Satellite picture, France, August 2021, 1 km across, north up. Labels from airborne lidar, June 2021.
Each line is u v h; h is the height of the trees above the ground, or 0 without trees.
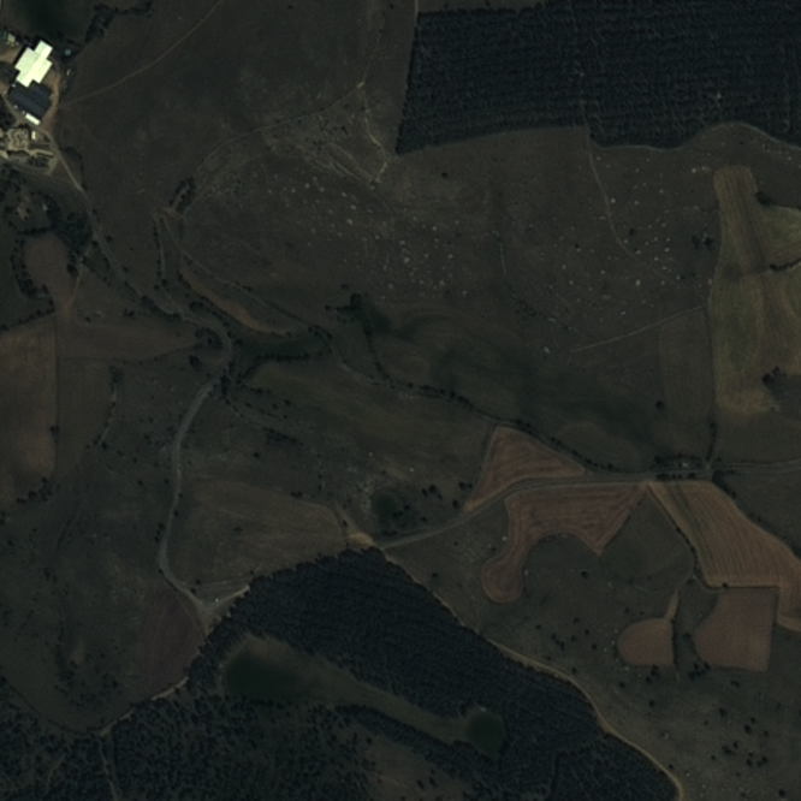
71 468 0
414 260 0
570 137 0
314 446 0
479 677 15
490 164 0
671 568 0
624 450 0
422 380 0
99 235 0
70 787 7
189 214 0
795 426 0
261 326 0
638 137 12
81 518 0
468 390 0
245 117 0
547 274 0
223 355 0
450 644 12
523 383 0
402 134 10
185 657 0
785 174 0
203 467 0
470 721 0
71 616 0
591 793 16
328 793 12
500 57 13
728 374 0
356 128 0
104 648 0
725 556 0
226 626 11
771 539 0
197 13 0
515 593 0
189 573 0
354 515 0
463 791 0
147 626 0
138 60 0
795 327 0
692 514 0
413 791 0
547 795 9
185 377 0
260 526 0
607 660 0
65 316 0
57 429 6
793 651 0
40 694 0
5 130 8
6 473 0
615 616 0
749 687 0
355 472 0
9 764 7
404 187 0
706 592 0
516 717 13
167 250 0
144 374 0
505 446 0
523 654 0
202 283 0
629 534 0
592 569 0
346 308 7
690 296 0
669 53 10
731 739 0
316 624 16
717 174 0
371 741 8
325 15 0
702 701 0
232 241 0
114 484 0
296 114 0
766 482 0
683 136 9
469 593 0
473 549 0
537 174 0
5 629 0
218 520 0
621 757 12
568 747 12
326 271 0
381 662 15
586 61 12
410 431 0
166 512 0
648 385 0
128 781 12
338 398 0
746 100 12
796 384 0
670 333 0
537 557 0
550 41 11
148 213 0
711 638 0
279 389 0
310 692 0
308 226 0
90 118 0
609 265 0
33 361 0
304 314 0
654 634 0
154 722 9
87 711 0
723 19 12
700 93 11
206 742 11
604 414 0
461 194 0
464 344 0
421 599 13
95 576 0
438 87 14
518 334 0
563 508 0
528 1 0
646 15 10
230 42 0
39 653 0
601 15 10
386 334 0
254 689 0
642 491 0
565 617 0
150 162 0
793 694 0
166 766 13
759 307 0
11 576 0
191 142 0
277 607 12
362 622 14
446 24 12
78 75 0
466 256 0
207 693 10
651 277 0
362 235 0
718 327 0
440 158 0
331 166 0
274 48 0
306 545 0
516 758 14
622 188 0
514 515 0
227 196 0
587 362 0
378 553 12
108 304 0
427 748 12
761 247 0
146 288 0
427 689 14
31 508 0
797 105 12
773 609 0
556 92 14
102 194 0
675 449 0
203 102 0
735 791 0
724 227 0
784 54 15
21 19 0
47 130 0
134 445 0
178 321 8
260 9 0
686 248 0
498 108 13
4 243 0
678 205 0
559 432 0
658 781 10
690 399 0
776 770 0
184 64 0
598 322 0
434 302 0
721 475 8
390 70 0
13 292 0
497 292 0
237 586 0
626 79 12
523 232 0
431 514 0
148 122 0
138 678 0
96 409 0
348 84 0
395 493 0
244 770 14
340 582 15
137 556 0
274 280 0
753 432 0
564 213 0
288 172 0
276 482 0
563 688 10
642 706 0
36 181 0
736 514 0
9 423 0
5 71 0
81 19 0
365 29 0
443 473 0
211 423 0
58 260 0
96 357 0
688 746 0
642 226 0
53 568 0
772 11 12
